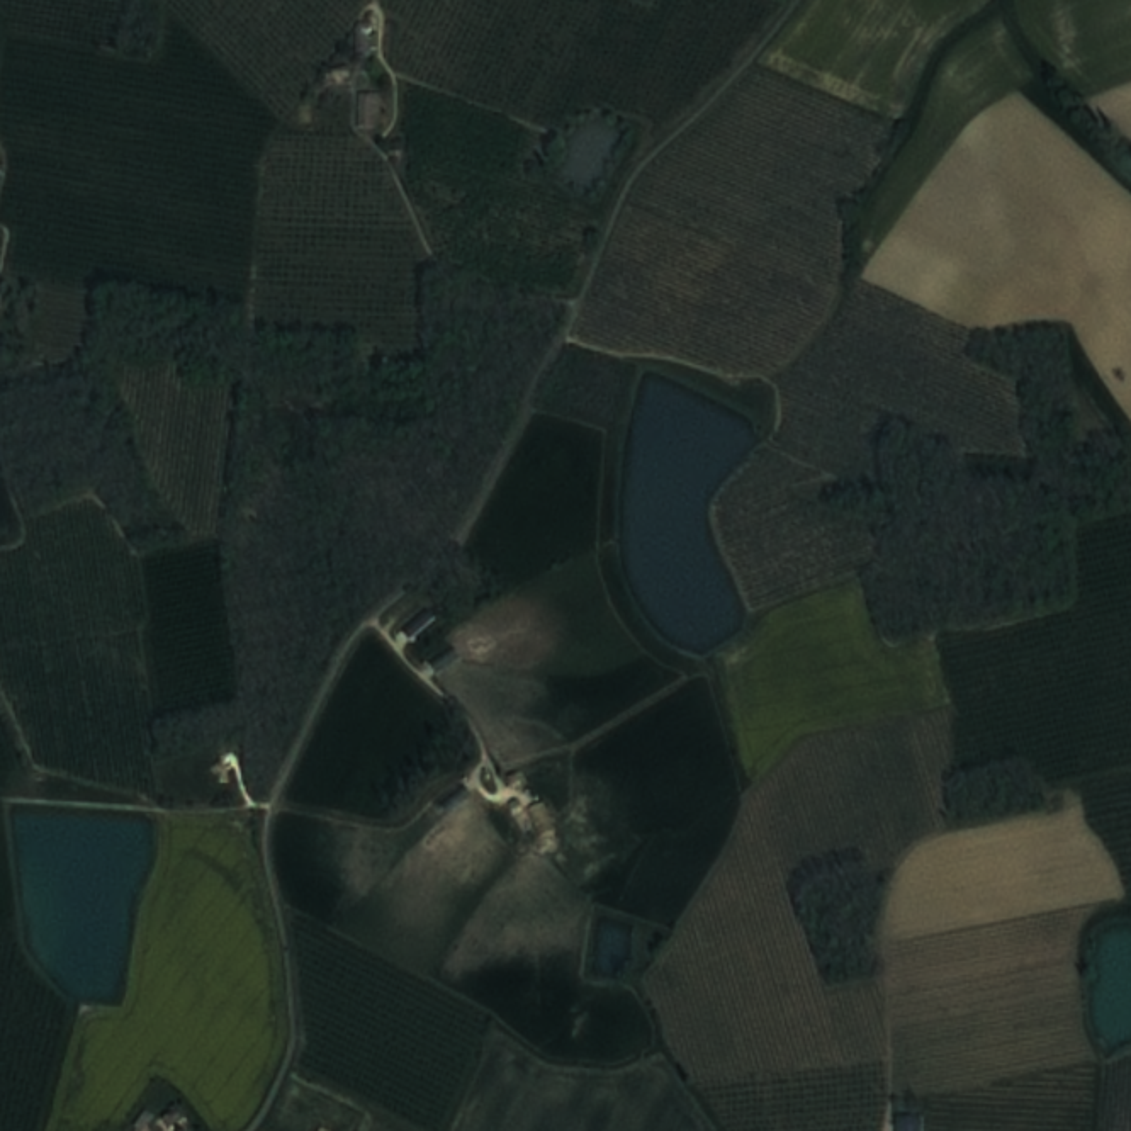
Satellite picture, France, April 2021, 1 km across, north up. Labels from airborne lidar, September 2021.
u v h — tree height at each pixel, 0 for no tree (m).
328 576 15
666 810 0
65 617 6
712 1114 0
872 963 13
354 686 0
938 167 0
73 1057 0
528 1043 0
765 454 6
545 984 0
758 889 0
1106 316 0
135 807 0
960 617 16
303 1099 0
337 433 20
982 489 23
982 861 0
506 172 6
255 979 0
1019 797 19
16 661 7
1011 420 5
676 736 0
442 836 0
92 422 16
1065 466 18
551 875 0
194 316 25
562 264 6
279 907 0
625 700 0
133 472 19
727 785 0
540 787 0
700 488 0
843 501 16
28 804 0
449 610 21
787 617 0
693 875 0
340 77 0
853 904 25
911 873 0
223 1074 0
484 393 20
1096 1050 0
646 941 0
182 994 0
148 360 8
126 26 13
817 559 6
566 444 0
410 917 0
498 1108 0
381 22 0
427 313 18
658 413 0
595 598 0
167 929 0
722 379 0
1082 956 0
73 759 6
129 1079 0
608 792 0
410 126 6
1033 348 17
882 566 15
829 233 6
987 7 0
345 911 0
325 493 18
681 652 0
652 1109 0
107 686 6
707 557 0
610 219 0
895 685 0
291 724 14
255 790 16
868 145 6
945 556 17
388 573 17
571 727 0
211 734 20
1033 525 23
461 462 19
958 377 5
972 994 0
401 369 19
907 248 0
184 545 14
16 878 0
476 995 0
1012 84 0
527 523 0
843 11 0
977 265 0
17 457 18
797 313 6
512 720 0
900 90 0
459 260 5
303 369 19
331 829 0
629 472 0
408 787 18
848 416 8
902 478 23
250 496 17
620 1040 0
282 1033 0
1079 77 0
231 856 0
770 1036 0
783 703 0
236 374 15
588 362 10
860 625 0
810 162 6
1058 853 0
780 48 0
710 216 6
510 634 0
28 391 16
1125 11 0
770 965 0
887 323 7
